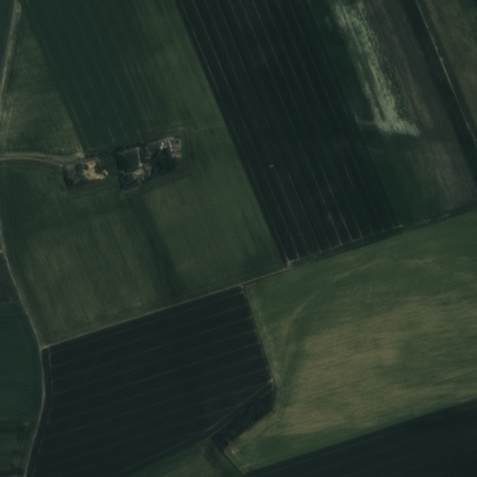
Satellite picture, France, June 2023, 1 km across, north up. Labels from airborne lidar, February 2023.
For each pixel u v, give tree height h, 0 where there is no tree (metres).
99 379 0
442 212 0
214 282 0
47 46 0
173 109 0
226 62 0
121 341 0
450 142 0
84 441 0
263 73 0
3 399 0
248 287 0
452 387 0
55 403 0
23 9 0
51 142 0
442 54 0
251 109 0
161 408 0
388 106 0
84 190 0
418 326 0
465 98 0
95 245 0
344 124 0
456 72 0
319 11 0
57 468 0
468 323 0
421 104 0
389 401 0
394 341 0
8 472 0
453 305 0
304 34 0
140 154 7
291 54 0
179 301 0
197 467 0
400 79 0
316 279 0
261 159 0
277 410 0
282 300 0
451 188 0
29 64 0
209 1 0
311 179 0
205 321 0
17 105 0
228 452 0
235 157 0
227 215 0
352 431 0
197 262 0
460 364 0
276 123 0
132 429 0
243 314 0
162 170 8
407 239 0
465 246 0
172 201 0
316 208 0
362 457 0
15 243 0
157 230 0
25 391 0
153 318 0
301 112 0
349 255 0
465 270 0
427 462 0
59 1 0
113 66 0
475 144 0
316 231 0
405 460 0
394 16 0
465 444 0
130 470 0
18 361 0
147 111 0
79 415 0
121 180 8
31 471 0
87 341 0
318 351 0
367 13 0
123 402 0
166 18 0
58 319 0
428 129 0
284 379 0
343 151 0
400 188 0
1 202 0
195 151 0
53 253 0
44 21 0
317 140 0
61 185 0
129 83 0
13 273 0
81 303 0
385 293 0
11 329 0
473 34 0
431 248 0
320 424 0
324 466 0
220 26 0
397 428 0
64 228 0
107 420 0
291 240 0
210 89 0
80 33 0
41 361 0
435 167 0
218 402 0
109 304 0
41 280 0
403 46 0
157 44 0
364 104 0
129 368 0
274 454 0
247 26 0
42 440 0
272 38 0
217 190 0
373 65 0
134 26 0
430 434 0
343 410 0
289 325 0
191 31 0
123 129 0
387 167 0
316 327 0
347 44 0
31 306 0
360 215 0
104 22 0
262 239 0
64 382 0
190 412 0
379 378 0
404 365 0
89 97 0
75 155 0
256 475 0
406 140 0
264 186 0
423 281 0
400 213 0
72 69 0
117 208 0
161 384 0
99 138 0
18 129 0
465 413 0
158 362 0
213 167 0
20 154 0
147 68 0
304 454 0
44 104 0
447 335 0
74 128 0
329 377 0
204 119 0
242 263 0
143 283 0
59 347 0
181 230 0
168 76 0
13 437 0
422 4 0
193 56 0
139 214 0
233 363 0
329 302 0
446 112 0
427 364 0
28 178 0
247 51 0
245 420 15
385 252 0
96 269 0
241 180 0
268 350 0
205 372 0
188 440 0
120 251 0
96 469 0
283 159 0
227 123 0
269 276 0
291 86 0
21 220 0
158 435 0
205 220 0
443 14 0
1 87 0
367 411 0
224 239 0
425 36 0
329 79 0
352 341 0
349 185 0
